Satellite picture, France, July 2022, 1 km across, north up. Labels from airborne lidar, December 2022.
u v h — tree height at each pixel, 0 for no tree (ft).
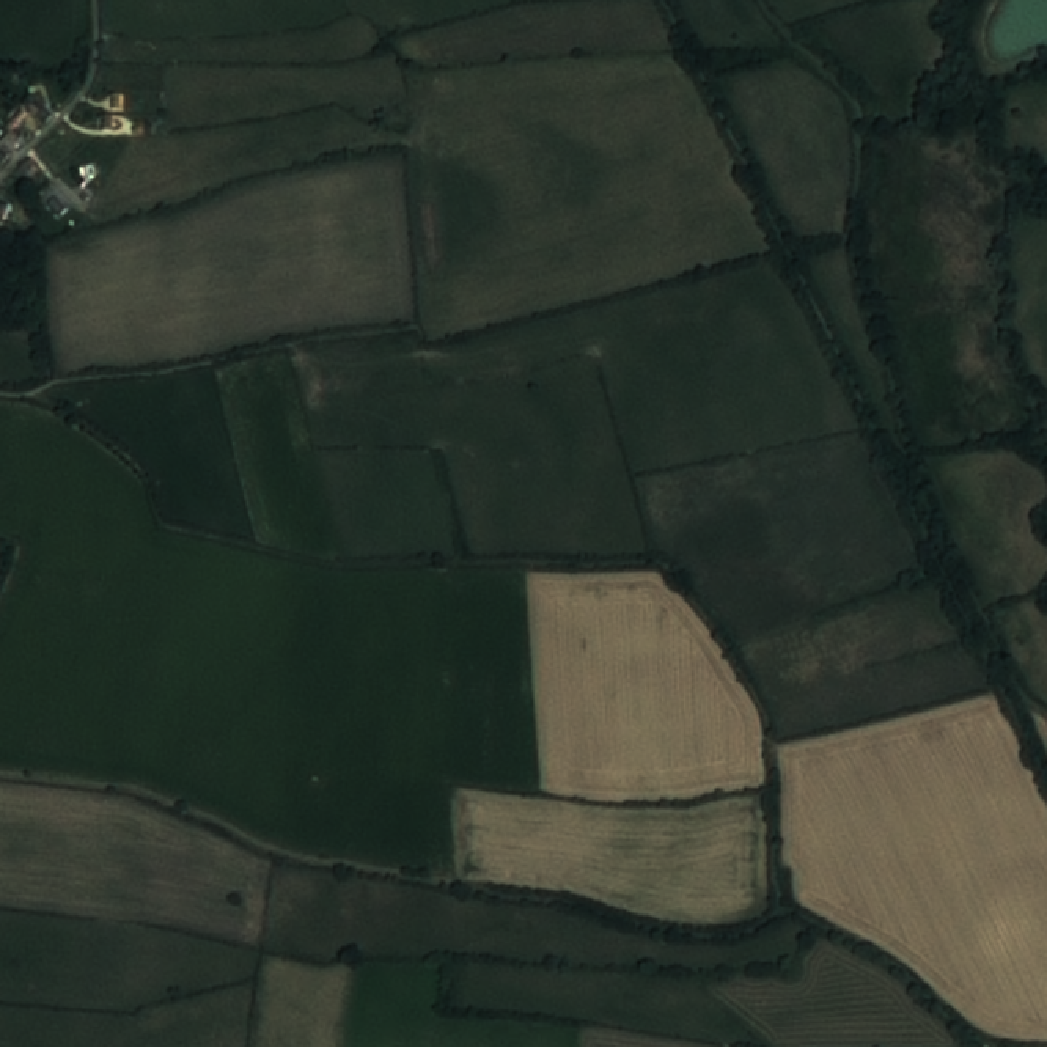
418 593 0
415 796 0
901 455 52
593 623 0
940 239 0
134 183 0
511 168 0
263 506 0
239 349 29
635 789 0
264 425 0
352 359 0
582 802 20
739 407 0
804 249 22
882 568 0
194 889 0
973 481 0
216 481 0
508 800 0
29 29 0
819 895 0
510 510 0
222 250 0
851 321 0
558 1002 0
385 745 0
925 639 0
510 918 0
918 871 0
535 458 0
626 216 0
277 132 0
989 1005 0
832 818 0
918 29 0
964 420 0
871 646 0
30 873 0
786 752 0
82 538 0
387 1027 0
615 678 0
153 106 0
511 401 0
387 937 0
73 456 0
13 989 0
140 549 0
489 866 0
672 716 0
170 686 0
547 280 0
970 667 0
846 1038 0
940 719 0
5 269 84
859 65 0
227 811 0
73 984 0
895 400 41
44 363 50
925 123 72
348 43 0
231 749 0
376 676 0
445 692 0
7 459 0
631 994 0
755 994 0
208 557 0
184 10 0
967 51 23
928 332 0
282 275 0
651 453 0
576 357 0
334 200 0
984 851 0
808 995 0
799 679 0
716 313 0
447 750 0
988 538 0
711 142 0
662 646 0
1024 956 0
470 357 0
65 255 0
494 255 0
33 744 0
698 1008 0
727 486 0
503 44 0
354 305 0
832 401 0
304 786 0
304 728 0
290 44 0
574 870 0
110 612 0
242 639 0
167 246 0
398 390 0
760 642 0
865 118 19
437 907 0
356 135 0
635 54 0
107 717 0
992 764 0
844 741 0
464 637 0
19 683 0
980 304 0
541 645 0
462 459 0
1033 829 0
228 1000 0
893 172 0
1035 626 0
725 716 0
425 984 0
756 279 0
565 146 0
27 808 0
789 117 0
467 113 0
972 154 0
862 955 48
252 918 0
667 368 0
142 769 0
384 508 0
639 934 28
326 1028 0
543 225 0
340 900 0
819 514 0
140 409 0
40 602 0
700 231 0
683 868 0
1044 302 0
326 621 0
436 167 0
